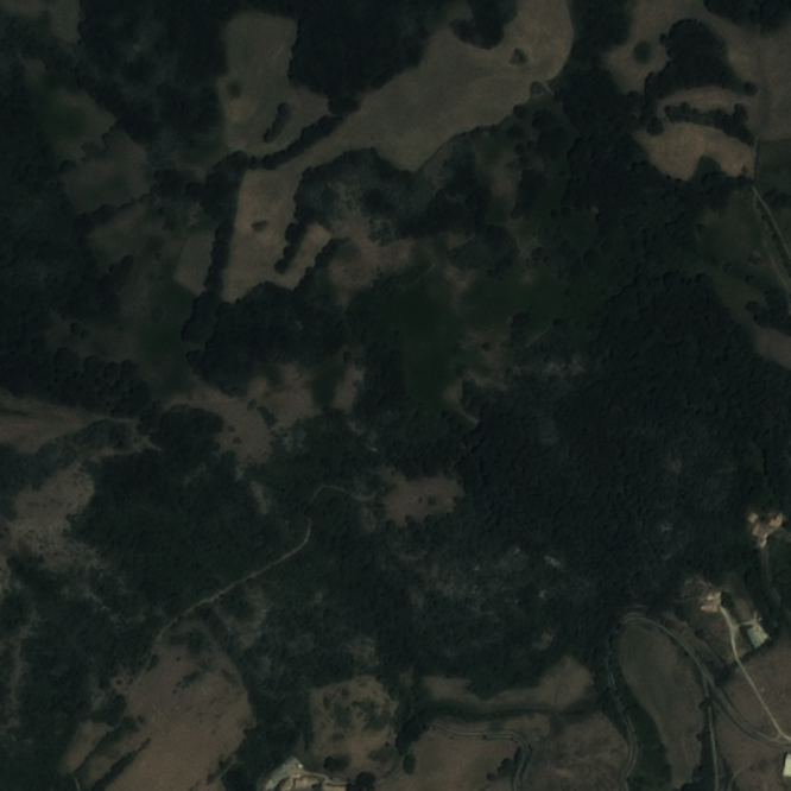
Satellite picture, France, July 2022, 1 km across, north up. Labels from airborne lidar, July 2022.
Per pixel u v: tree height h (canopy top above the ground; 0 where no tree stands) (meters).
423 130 0
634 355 25
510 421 16
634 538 14
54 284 13
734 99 0
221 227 9
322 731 0
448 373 0
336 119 8
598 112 13
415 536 13
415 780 0
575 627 9
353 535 11
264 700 6
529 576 7
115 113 12
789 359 0
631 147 24
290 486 6
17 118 17
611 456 16
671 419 18
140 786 0
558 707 0
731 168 0
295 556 6
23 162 6
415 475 9
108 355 0
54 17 0
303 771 0
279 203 0
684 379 21
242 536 6
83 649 8
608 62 0
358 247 0
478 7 6
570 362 7
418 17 7
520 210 13
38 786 8
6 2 0
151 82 7
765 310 8
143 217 0
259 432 0
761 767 0
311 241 0
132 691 0
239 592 7
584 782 0
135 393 15
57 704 13
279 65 0
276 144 0
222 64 12
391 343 10
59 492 0
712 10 20
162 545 6
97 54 14
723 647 0
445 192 8
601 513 14
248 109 0
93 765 0
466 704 0
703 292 26
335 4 13
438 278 0
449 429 12
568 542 13
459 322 0
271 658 6
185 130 11
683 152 0
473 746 0
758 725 0
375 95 0
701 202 26
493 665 7
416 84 0
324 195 6
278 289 11
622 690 9
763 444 21
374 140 0
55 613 6
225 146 0
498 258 8
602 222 18
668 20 0
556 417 12
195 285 0
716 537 10
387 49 8
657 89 23
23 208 5
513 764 6
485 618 8
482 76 0
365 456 6
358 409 10
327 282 0
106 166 0
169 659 0
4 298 9
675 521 6
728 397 23
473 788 0
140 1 11
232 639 7
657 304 24
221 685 0
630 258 9
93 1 12
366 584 7
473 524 6
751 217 0
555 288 0
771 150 0
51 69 12
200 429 8
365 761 0
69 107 0
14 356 14
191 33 14
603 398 21
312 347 8
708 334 23
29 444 0
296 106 0
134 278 0
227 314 14
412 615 6
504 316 0
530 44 0
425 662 8
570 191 13
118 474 7
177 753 0
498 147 0
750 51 0
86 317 9
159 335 0
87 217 13
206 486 9
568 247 11
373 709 0
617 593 10
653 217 8
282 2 16
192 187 10
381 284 7
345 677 7
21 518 0
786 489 8
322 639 6
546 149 15
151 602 12
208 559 6
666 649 0
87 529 10
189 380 0
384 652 13
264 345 9
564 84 8
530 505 26
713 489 6
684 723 0
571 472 10
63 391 17
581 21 9
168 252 0
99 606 6
